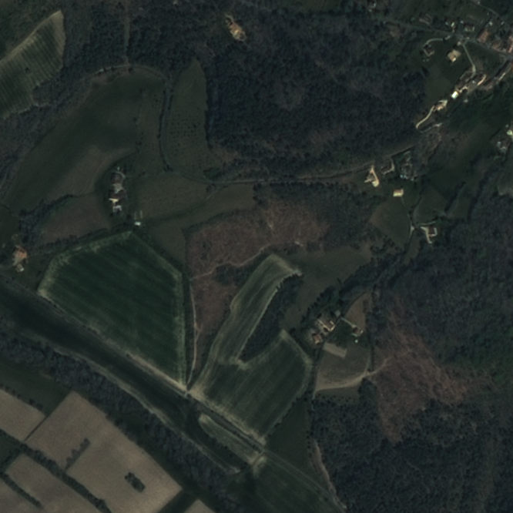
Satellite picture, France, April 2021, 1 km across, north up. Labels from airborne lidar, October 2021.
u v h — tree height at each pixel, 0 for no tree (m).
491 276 17
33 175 0
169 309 0
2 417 0
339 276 0
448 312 20
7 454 0
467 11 0
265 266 0
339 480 10
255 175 13
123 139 0
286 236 0
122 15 9
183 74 10
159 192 0
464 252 17
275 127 23
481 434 20
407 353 16
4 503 0
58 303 0
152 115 0
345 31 18
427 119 0
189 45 19
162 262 0
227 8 20
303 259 0
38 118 23
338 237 20
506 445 18
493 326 20
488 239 13
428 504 18
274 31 19
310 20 17
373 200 9
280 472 0
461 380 22
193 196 0
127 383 0
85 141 0
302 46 25
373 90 22
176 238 0
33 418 0
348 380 0
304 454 0
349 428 8
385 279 12
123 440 0
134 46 23
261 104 22
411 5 0
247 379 0
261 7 19
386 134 18
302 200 18
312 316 10
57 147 0
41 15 15
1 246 0
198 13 11
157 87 0
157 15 25
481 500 16
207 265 0
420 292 19
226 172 10
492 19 5
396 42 8
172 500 0
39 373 0
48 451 0
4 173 9
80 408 0
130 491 0
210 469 20
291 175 14
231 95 23
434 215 0
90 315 0
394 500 23
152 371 0
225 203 0
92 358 0
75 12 18
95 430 0
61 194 0
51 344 0
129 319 0
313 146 15
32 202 0
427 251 15
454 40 7
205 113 0
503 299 15
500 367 22
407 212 0
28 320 0
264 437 0
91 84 17
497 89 7
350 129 14
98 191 0
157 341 0
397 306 14
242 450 0
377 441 7
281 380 0
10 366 0
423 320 16
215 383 0
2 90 0
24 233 12
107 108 0
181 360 0
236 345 0
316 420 14
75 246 18
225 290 0
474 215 17
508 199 12
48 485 0
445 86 0
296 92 24
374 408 7
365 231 13
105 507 12
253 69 17
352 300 16
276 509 0
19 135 21
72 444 0
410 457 22
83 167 0
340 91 27
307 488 0
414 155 13
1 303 0
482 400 19
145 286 0
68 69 18
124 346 0
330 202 17
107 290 0
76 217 0
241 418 0
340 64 26
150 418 16
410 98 22
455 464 13
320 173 10
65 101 17
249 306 0
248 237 0
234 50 10
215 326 10
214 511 0
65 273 0
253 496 0
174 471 0
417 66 0
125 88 0
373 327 12
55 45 0
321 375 0
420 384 9
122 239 0
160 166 0
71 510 0
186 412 0
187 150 0
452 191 0
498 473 15
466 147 0
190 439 0
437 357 21
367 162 19
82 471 0
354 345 0
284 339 0
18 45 0
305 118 26
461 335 24
